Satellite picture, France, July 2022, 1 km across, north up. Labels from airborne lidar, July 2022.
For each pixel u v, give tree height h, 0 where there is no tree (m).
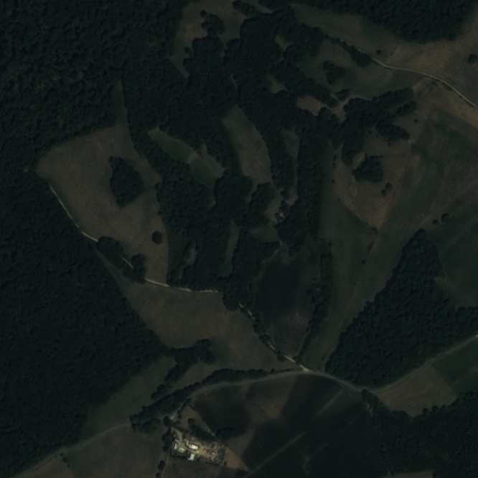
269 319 0
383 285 0
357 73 0
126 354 23
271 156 15
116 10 23
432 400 0
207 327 0
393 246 0
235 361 0
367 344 24
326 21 0
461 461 9
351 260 0
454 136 0
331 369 21
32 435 21
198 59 14
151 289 0
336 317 0
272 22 22
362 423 0
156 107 24
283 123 11
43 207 25
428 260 24
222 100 22
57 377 28
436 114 0
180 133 19
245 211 21
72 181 0
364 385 15
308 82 21
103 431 0
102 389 23
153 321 0
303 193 18
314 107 0
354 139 31
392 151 0
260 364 0
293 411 0
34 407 24
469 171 0
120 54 20
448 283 0
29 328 25
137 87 21
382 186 0
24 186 22
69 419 22
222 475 0
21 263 27
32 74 20
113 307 23
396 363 23
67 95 20
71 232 22
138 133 25
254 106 20
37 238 26
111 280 22
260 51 25
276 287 0
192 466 0
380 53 14
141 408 0
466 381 0
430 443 7
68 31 25
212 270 21
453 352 0
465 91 0
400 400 0
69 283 27
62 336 26
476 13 0
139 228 0
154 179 0
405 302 25
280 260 0
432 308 24
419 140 0
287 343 0
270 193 14
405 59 0
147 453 0
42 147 13
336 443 0
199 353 21
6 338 26
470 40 0
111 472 0
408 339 27
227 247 16
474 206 0
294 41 23
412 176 0
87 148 0
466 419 7
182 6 14
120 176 19
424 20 28
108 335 19
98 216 0
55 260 20
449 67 0
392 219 0
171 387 16
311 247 0
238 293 18
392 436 5
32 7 27
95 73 28
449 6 25
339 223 0
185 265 14
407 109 15
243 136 0
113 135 0
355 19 0
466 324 23
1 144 13
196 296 0
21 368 28
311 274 0
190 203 21
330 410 0
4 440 20
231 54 15
